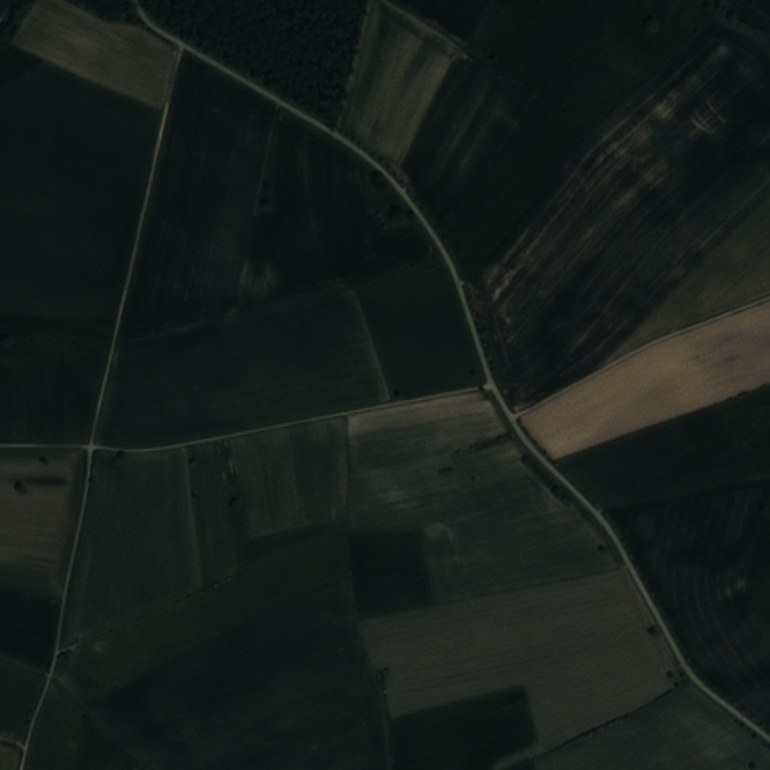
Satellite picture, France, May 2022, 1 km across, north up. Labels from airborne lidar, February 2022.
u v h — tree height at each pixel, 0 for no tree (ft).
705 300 0
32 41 0
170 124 0
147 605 0
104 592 0
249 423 0
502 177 0
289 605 0
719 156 0
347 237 0
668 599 0
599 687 0
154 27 0
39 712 0
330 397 0
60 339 0
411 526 0
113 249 0
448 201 0
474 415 0
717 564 0
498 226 0
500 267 0
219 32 89
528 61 0
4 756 0
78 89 0
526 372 0
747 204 0
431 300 0
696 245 0
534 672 0
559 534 0
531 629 0
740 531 0
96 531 0
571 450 0
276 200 0
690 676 0
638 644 0
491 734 0
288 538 0
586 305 0
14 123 0
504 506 0
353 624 0
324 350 0
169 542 0
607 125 0
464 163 0
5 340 43
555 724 0
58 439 0
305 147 0
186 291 0
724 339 0
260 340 0
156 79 0
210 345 0
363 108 0
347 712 0
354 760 0
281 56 94
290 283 0
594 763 0
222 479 0
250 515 0
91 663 0
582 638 0
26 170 0
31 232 0
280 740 0
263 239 0
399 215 54
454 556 0
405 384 0
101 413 0
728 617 0
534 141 0
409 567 0
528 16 0
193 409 0
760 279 0
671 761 0
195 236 0
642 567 0
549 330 0
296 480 0
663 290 0
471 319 0
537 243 0
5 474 0
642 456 0
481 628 0
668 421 0
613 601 0
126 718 0
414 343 0
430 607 0
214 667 0
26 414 0
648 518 0
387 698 0
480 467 0
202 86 0
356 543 0
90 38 0
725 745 0
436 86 0
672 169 0
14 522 0
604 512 0
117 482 0
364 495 0
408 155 0
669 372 0
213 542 0
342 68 86
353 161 0
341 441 0
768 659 0
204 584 0
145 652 0
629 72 0
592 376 0
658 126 0
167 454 0
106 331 0
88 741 0
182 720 0
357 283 0
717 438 0
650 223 0
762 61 0
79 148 0
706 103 0
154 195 0
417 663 0
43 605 0
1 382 0
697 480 0
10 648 0
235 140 0
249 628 0
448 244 0
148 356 0
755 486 0
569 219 0
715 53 0
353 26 25
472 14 0
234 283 0
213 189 0
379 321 0
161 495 0
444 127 0
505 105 0
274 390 0
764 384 0
